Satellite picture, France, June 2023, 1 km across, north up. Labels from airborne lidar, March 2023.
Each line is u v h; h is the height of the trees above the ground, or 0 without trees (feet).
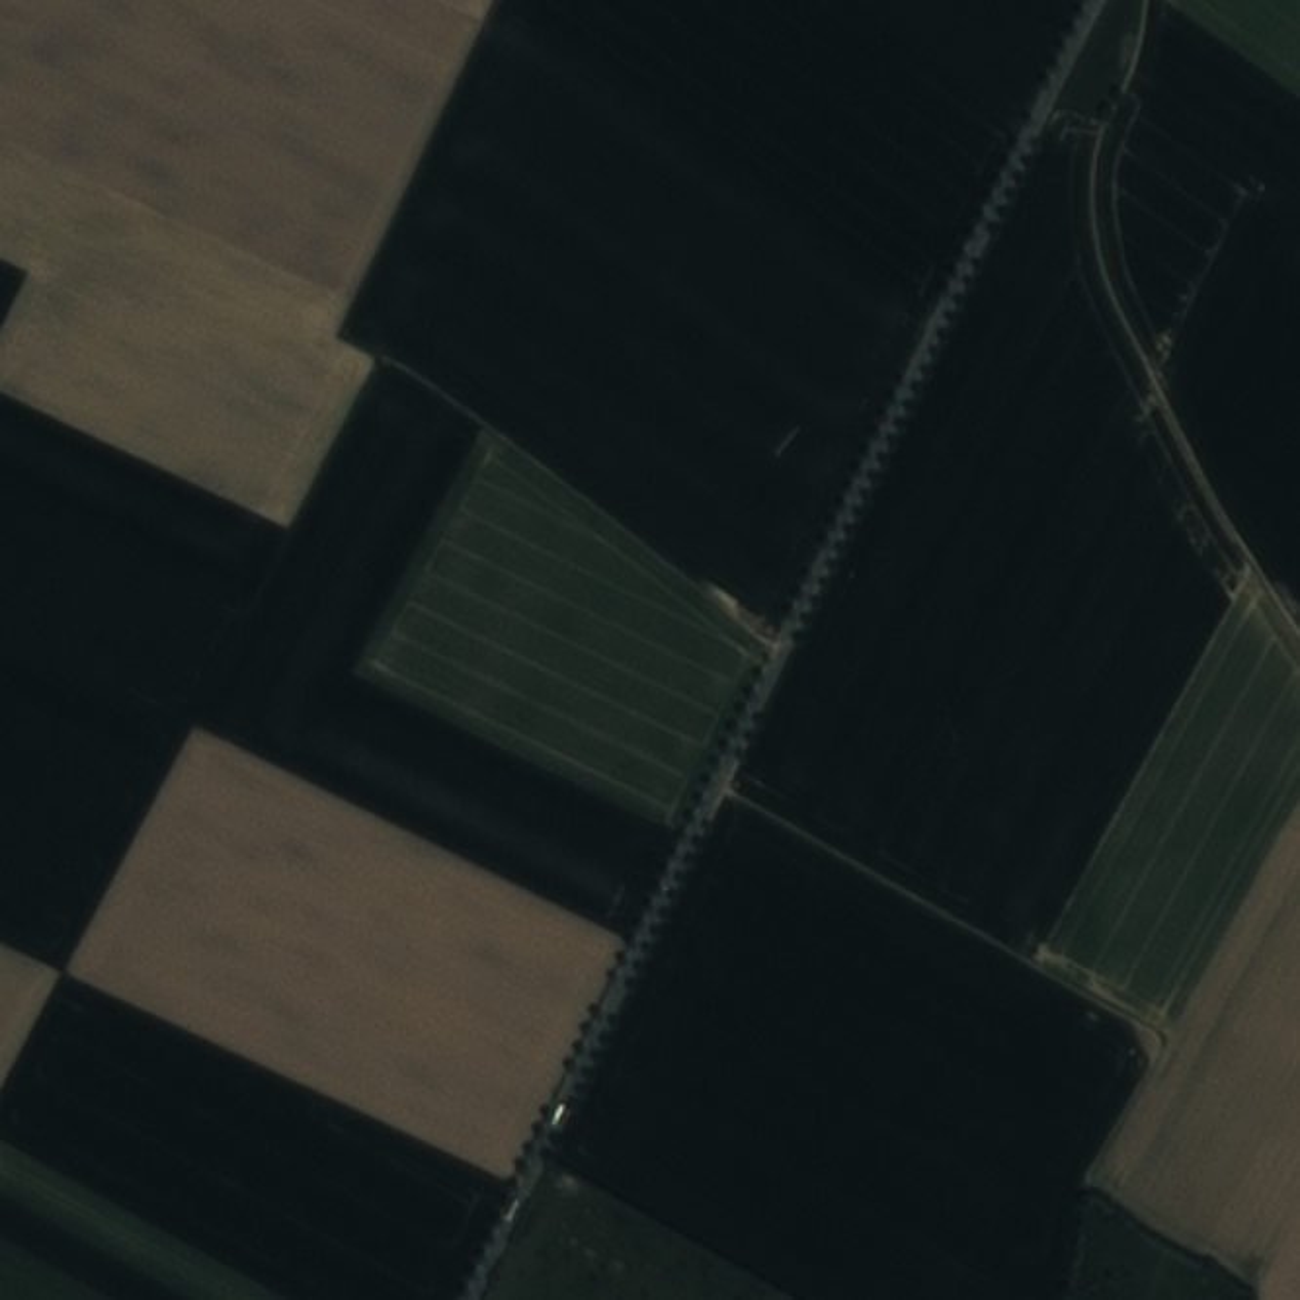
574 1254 0
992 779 0
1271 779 0
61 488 0
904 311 0
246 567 0
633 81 0
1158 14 0
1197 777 0
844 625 0
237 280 0
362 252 0
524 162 0
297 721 0
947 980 0
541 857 0
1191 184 0
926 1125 0
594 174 0
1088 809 0
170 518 0
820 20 0
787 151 0
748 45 0
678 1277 0
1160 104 0
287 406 0
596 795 0
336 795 0
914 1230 0
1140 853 0
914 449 0
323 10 0
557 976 0
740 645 0
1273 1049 0
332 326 0
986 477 0
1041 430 0
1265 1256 0
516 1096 0
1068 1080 0
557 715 0
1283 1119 0
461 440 0
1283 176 0
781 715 0
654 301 0
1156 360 0
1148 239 0
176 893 0
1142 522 0
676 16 0
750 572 0
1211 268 0
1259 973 0
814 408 0
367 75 0
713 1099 0
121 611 0
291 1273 0
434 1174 0
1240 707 0
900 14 0
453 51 0
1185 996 0
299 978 0
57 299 0
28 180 0
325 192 0
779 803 0
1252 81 0
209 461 0
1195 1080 0
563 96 0
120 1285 0
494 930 0
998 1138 0
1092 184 0
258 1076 0
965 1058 0
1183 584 0
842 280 0
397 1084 0
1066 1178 0
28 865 0
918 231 0
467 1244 0
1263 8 0
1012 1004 0
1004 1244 0
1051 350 0
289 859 0
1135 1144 0
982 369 0
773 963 0
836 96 0
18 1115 0
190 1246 0
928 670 0
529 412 0
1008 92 0
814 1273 0
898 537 0
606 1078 0
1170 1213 0
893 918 0
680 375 0
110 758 0
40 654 0
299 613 0
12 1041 0
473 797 0
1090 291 0
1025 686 0
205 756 0
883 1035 0
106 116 0
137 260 0
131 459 0
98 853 0
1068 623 0
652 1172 0
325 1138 0
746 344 0
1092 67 0
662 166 0
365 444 0
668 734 0
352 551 0
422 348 0
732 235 0
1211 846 0
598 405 0
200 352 0
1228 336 0
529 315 0
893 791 0
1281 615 0
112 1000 0
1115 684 0
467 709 0
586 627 0
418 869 0
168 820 0
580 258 0
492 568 0
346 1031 0
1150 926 0
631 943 30
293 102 0
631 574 0
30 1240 0
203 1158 0
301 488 0
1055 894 0
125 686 0
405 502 0
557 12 0
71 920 0
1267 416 0
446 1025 0
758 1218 0
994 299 0
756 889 0
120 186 0
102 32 0
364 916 0
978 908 0
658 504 0
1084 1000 0
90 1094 0
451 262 0
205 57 0
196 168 0
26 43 0
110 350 0
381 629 0
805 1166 0
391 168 0
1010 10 0
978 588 0
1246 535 0
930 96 0
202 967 0
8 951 0
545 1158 29
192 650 0
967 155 0
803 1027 0
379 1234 0
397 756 0
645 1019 0
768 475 0
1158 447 0
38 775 0
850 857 0
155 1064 0
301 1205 0
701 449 0
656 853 0
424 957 0
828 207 0
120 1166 0
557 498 0
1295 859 0
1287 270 0
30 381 0
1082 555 0
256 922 0
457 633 0
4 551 0
